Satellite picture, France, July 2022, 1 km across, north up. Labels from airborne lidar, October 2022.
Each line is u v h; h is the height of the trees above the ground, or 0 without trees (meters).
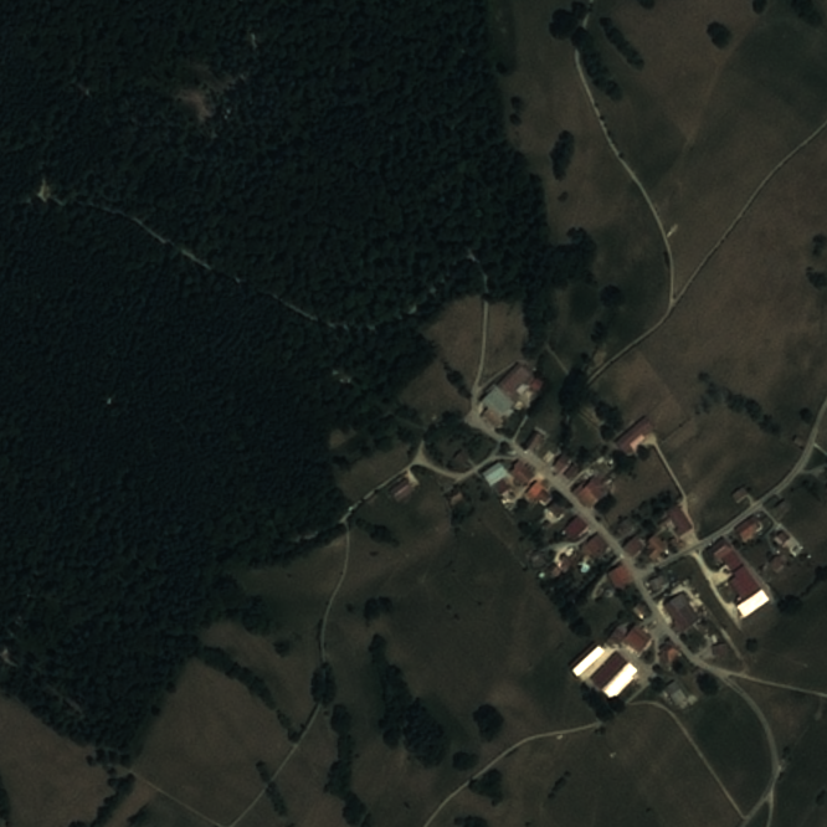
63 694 6
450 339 0
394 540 8
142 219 18
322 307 26
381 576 0
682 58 0
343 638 0
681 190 0
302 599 0
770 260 0
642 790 0
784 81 0
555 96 0
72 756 0
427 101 26
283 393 23
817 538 0
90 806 0
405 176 30
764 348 0
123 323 26
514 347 0
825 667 0
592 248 30
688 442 0
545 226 25
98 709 29
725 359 0
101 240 17
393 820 0
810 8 18
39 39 27
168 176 18
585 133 0
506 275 31
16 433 22
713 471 0
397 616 0
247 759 0
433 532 0
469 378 0
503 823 0
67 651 27
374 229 30
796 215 0
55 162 26
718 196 0
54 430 28
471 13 29
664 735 0
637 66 15
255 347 24
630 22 0
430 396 0
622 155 9
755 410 24
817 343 0
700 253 0
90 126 21
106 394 22
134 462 20
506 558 0
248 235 26
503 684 0
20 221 26
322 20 25
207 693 0
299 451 32
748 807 0
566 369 0
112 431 24
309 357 27
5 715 0
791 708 0
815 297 0
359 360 13
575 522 0
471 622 0
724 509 0
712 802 0
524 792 0
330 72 30
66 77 29
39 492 24
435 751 13
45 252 26
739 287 0
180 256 21
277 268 29
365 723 0
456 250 25
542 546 9
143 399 26
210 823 0
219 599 27
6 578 27
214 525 21
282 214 27
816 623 0
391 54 30
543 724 0
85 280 25
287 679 0
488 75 22
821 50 0
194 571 27
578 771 0
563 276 36
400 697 15
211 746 0
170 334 23
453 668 0
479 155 15
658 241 0
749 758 0
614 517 0
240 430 26
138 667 22
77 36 24
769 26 0
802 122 0
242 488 24
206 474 23
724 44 16
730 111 0
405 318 7
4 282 28
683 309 0
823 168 0
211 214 30
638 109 0
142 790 0
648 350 0
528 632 0
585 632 19
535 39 0
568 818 0
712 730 0
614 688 0
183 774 0
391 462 0
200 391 33
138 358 24
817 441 0
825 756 0
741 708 0
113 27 29
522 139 0
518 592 0
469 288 24
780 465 0
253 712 0
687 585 0
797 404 0
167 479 24
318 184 28
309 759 0
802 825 0
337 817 0
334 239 27
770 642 0
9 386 31
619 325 0
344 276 29
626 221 0
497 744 0
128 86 30
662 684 18
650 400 0
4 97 18
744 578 0
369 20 30
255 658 0
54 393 25
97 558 29
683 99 0
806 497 0
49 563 22
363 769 0
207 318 23
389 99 29
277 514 24
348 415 26
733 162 0
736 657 0
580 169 0
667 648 0
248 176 22
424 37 28
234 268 25
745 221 0
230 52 29
